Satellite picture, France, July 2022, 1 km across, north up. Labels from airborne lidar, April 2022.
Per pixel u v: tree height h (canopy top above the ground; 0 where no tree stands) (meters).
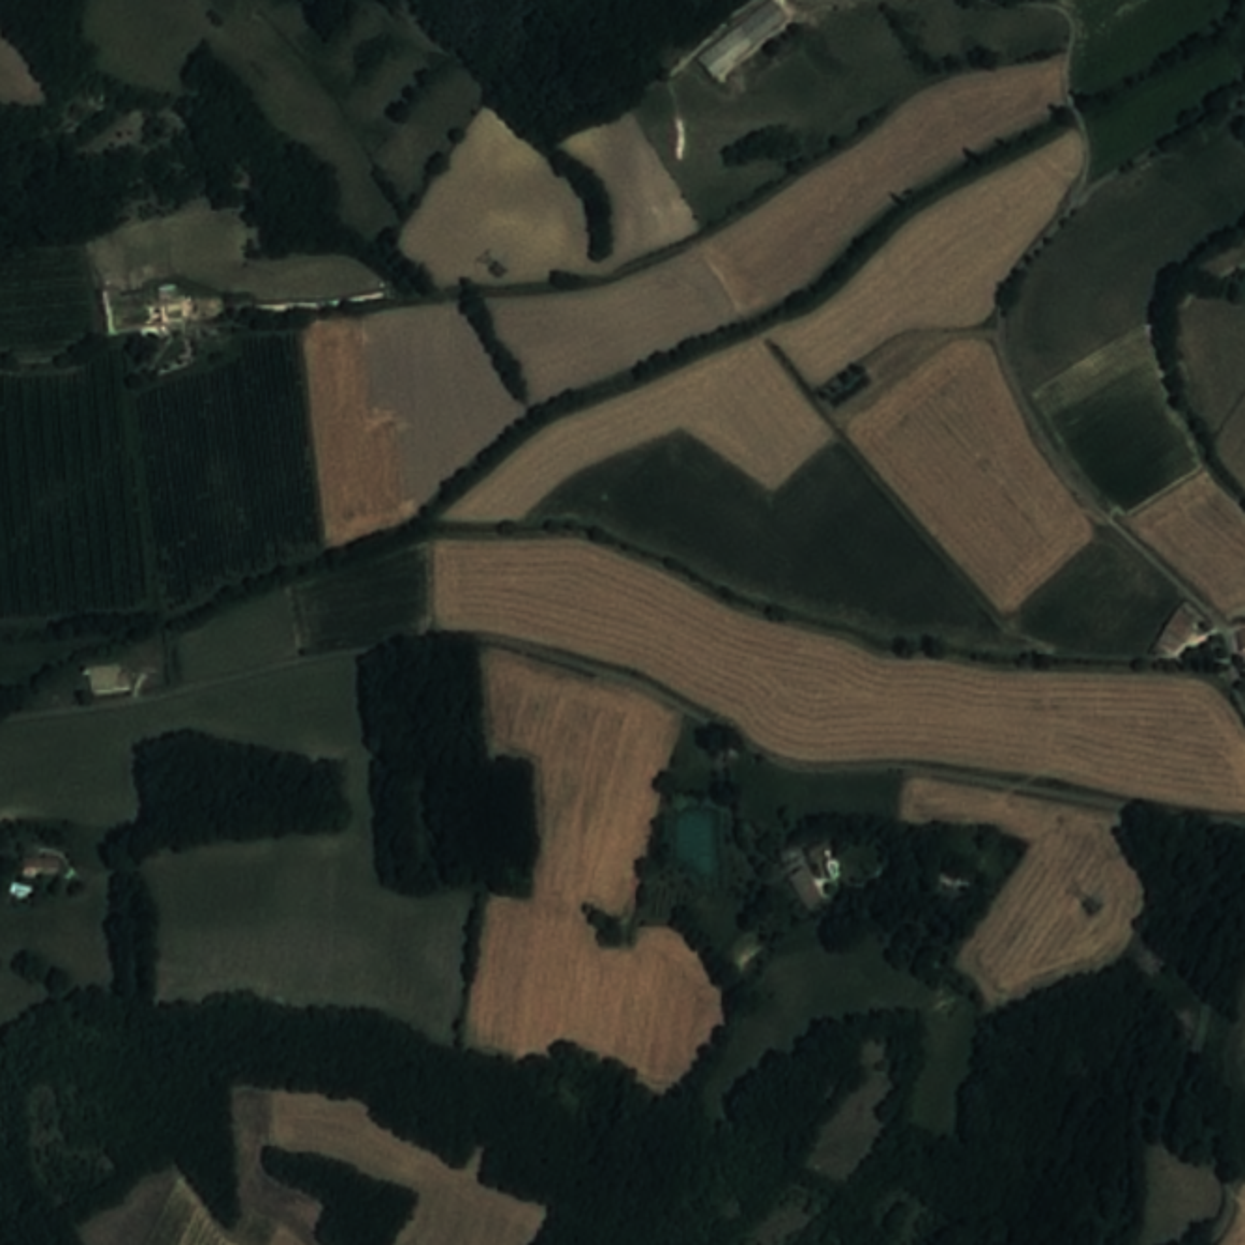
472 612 0
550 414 10
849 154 0
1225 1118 19
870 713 0
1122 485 0
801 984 0
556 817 0
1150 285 0
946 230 0
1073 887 0
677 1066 0
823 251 0
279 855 0
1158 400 0
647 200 0
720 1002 0
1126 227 0
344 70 0
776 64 0
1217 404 0
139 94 17
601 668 0
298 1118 0
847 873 0
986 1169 22
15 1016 0
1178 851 11
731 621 0
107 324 0
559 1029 0
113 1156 9
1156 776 0
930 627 0
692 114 0
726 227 0
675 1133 21
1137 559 0
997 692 0
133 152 14
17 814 0
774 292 0
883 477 0
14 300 6
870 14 0
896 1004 0
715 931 0
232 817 21
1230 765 0
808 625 0
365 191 0
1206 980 19
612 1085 12
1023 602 0
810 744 0
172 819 22
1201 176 0
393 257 7
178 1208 0
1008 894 0
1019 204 0
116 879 8
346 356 0
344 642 0
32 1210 13
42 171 12
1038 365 0
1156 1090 30
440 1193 0
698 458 0
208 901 0
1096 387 0
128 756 0
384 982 0
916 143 0
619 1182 25
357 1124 0
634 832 0
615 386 0
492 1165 17
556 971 0
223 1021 14
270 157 20
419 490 0
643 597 0
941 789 0
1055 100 0
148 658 0
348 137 0
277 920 0
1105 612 0
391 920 0
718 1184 10
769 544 0
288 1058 15
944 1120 0
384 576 0
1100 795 0
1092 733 0
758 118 0
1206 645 9
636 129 0
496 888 12
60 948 0
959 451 0
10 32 13
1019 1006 19
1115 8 0
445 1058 20
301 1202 0
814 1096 11
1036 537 0
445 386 0
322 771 15
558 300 0
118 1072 10
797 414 0
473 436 0
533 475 0
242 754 16
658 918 0
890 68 0
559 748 0
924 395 0
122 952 17
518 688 0
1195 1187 0
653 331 0
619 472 0
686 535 0
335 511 0
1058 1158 13
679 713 0
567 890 0
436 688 22
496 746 0
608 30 17
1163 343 17
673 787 14
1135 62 0
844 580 0
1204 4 0
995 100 0
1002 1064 26
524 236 0
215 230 0
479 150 0
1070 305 0
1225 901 16
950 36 0
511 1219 0
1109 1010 28
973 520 0
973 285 0
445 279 0
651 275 0
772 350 0
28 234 6
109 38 0
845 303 0
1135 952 0
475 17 17
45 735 0
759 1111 19
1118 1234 6
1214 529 0
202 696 0
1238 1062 0
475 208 0
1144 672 12
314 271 0
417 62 0
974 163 8
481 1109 17
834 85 0
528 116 15
